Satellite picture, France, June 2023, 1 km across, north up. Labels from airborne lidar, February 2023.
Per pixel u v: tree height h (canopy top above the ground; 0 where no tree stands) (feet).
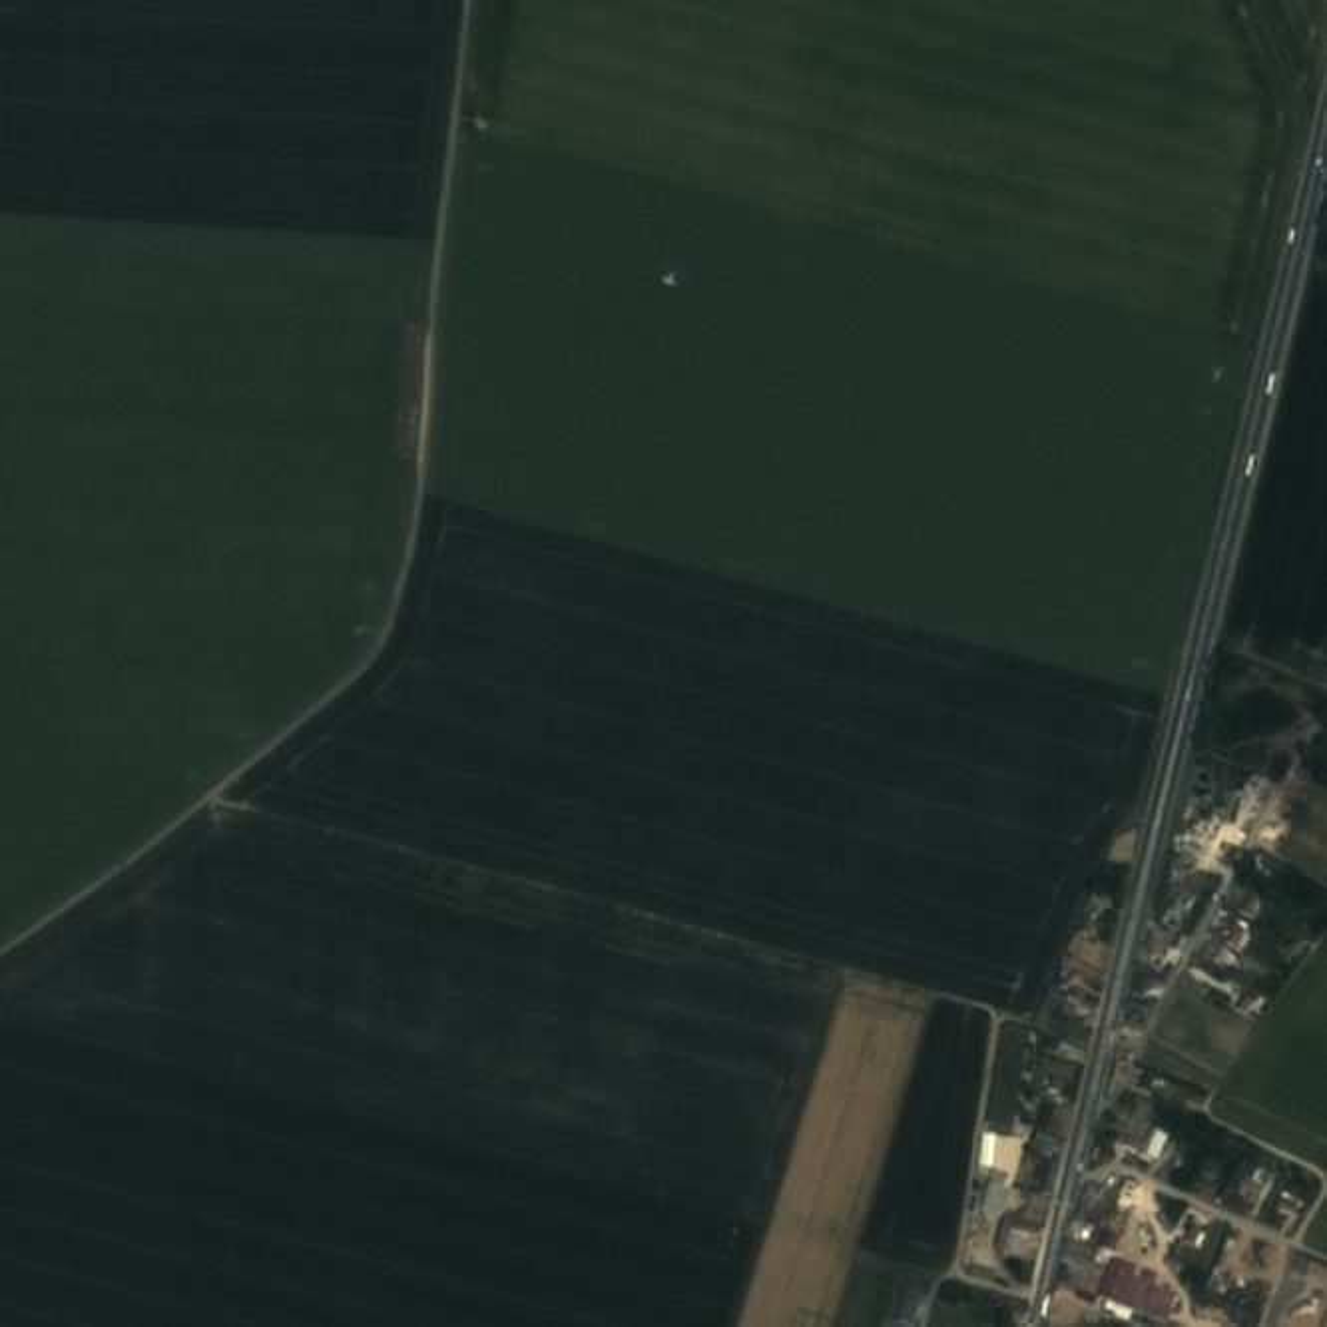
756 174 0
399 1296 0
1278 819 0
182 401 0
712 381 0
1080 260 0
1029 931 0
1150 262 0
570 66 0
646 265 0
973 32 0
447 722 0
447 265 0
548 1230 0
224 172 0
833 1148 0
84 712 0
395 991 0
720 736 0
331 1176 0
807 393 0
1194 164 0
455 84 0
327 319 0
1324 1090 0
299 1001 0
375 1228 0
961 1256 0
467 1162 0
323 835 0
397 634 0
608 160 0
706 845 0
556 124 0
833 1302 0
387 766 0
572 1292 0
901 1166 0
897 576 0
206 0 0
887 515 0
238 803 0
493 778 0
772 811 0
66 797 0
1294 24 0
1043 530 0
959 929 0
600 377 0
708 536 0
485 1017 0
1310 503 0
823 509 0
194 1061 0
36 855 0
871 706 0
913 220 0
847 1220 0
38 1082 0
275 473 0
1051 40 0
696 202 0
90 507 0
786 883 0
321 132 0
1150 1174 0
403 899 0
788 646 0
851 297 0
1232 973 20
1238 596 0
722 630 0
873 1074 0
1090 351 0
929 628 0
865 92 0
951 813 0
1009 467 0
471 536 0
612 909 0
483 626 0
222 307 0
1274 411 0
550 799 0
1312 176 0
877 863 0
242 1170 0
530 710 0
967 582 0
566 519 0
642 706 0
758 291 0
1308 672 0
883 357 0
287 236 0
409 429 0
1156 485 0
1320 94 0
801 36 0
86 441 0
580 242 0
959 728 0
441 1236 0
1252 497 0
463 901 0
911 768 0
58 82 0
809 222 0
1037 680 0
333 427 0
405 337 0
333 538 0
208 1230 0
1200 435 0
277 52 0
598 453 0
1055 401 0
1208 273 0
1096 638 0
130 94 0
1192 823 0
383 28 0
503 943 0
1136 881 0
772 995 0
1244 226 0
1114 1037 0
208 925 0
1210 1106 0
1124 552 0
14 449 0
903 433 0
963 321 0
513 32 0
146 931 0
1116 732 0
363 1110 0
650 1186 0
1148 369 0
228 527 0
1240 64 0
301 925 0
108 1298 0
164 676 0
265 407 0
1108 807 0
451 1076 0
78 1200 0
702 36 0
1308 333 0
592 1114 0
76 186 0
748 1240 0
